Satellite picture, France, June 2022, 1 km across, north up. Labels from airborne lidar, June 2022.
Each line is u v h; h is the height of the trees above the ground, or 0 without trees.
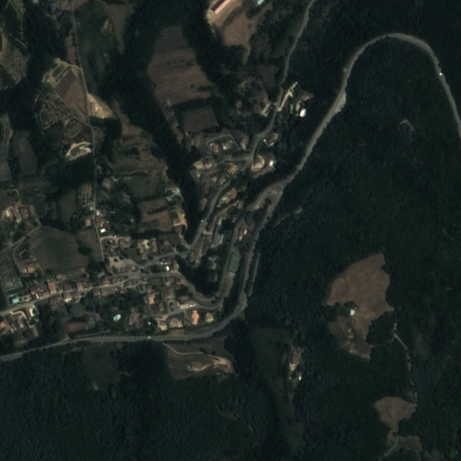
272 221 9
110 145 17
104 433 17
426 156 13
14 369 17
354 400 17
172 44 0
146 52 11
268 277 12
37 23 17
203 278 23
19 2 0
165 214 0
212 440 18
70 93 0
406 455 13
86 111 0
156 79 0
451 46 15
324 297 15
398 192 12
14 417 24
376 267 0
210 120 0
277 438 16
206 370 0
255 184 16
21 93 18
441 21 13
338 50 16
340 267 15
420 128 17
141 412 16
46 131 12
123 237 0
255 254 9
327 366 13
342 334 0
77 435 19
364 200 8
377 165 14
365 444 16
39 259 0
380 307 0
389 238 12
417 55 13
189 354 0
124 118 0
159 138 14
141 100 23
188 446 13
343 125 15
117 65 9
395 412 0
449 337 7
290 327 16
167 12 6
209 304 0
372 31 19
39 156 9
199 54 8
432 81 15
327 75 16
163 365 14
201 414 17
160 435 18
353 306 8
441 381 12
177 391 18
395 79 12
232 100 14
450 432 16
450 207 15
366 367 20
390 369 14
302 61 7
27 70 7
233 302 11
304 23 0
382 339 9
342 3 14
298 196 16
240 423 15
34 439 17
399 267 14
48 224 21
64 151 8
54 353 17
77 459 16
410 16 20
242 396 15
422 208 16
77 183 14
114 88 8
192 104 17
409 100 18
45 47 15
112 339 0
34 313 9
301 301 15
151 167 0
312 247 15
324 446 15
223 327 0
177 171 20
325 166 16
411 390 13
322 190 13
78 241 6
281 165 15
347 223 19
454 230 19
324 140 10
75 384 17
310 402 17
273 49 9
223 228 11
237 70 8
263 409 16
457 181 14
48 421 18
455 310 16
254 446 17
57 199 16
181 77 0
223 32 0
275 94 16
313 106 21
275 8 10
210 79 9
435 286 11
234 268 0
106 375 0
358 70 15
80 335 12
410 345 8
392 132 16
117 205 6
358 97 18
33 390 27
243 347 25
